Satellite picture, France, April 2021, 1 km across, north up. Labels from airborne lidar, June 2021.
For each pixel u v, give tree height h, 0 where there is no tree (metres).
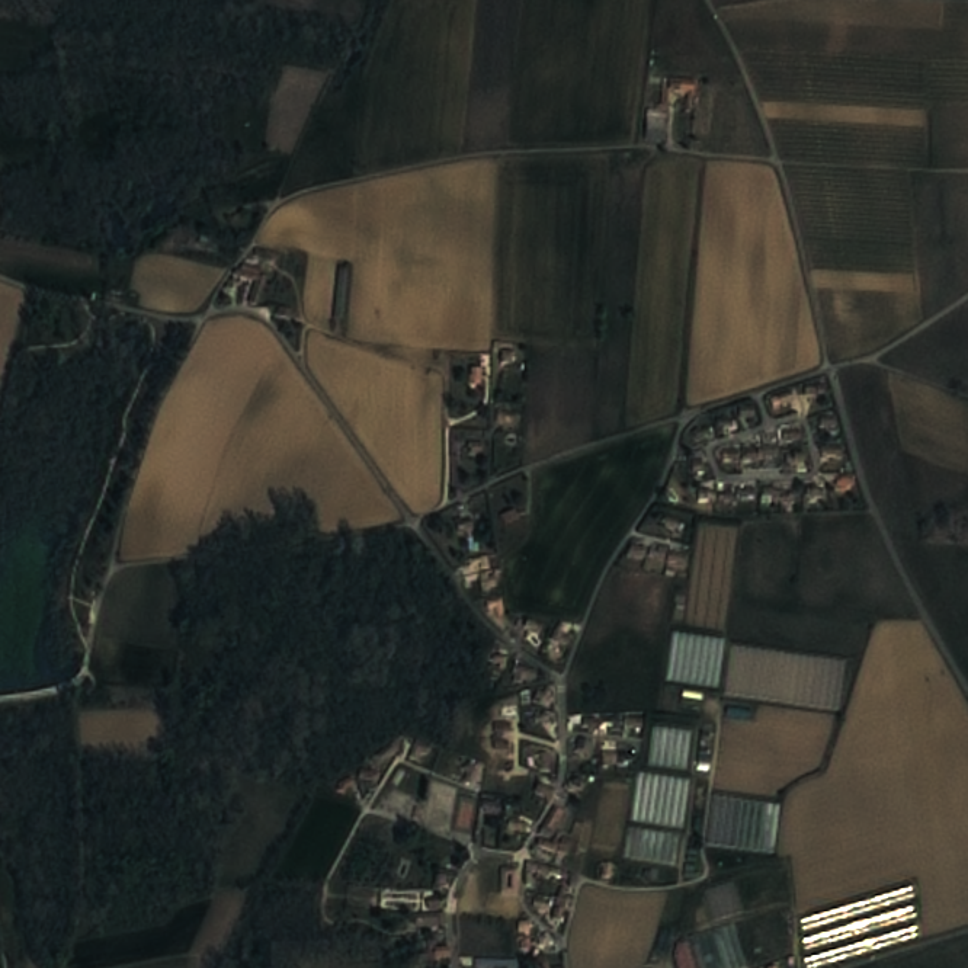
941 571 0
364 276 0
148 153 16
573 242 0
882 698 0
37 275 0
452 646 12
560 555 0
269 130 0
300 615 17
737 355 0
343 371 0
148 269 0
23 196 22
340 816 0
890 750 0
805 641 0
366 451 0
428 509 0
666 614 0
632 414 0
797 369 0
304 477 0
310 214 0
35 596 0
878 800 0
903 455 0
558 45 0
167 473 0
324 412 0
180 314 0
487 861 0
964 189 0
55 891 19
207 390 0
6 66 0
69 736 17
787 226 0
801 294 0
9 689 0
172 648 0
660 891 0
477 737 0
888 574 0
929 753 0
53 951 25
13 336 0
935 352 0
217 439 0
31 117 21
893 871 0
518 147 0
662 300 0
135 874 22
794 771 0
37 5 23
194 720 14
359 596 11
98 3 17
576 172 0
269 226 0
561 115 0
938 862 0
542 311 0
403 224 0
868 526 0
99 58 17
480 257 0
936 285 0
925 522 8
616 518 0
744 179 0
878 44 0
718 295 0
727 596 0
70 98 23
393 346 0
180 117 17
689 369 0
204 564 20
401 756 0
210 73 13
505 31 0
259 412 0
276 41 18
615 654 0
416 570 15
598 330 10
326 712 18
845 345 0
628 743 0
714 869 0
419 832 16
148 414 14
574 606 0
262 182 0
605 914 0
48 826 18
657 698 0
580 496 0
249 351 0
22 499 9
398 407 0
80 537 25
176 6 17
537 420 0
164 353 13
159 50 19
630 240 0
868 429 0
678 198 0
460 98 0
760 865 0
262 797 0
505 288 0
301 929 14
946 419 0
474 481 10
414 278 0
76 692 16
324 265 0
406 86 0
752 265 0
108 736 0
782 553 0
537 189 0
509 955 0
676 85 0
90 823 21
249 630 19
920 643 0
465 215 0
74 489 7
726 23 0
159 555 0
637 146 0
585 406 0
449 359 0
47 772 21
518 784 0
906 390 0
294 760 26
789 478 0
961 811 0
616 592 0
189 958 0
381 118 0
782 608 0
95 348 15
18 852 20
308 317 0
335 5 0
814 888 0
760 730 0
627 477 0
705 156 0
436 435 0
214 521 0
